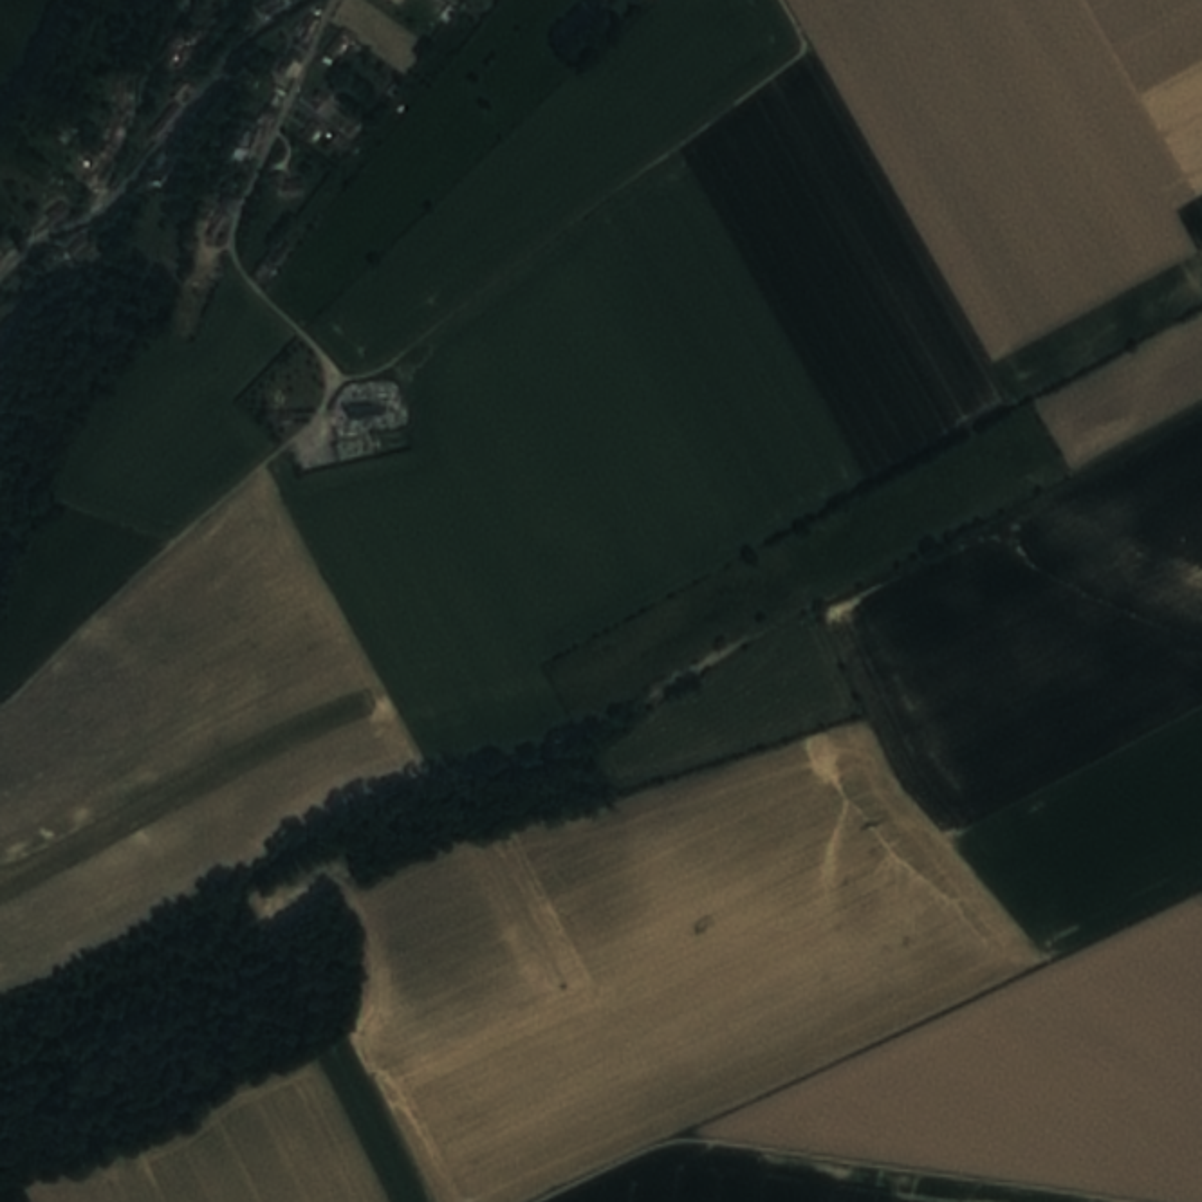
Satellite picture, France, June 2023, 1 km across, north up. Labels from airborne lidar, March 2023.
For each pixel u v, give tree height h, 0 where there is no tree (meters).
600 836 0
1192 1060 0
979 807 0
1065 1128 0
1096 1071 0
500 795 26
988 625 0
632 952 0
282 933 25
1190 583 0
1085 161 0
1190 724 0
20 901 0
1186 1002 0
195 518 0
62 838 0
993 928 0
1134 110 0
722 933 0
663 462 0
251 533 0
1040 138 0
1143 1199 0
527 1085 0
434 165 0
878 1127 0
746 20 0
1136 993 0
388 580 0
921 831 0
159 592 0
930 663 0
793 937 0
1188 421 0
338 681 0
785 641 0
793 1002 0
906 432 0
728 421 0
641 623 0
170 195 6
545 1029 0
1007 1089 0
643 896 0
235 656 0
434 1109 0
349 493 0
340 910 22
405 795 32
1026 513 0
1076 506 0
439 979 0
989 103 0
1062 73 0
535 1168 0
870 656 0
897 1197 0
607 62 0
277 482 0
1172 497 0
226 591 0
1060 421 0
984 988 0
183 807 0
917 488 0
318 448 0
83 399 22
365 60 13
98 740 0
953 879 0
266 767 0
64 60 27
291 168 0
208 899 21
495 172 0
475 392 0
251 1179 0
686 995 0
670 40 0
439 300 0
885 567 0
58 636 0
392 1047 0
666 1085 0
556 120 0
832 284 0
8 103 23
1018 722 0
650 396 0
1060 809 0
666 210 0
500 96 0
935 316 0
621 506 0
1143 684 0
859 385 0
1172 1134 0
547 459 0
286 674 0
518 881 0
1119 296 0
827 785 0
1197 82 0
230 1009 16
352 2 0
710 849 0
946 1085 0
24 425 21
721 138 0
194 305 0
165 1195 0
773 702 0
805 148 0
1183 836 0
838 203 0
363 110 11
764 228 0
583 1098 0
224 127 9
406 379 0
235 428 0
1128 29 0
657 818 0
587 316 0
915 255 0
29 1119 26
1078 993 0
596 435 0
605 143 0
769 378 0
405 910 0
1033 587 0
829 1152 0
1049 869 0
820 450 0
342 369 0
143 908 0
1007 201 0
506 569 0
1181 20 0
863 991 0
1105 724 0
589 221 0
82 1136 26
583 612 0
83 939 0
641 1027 0
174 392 0
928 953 0
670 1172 0
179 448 0
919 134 0
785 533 6
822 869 0
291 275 0
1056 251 0
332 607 0
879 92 0
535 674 0
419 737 0
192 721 0
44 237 0
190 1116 26
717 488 0
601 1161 0
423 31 0
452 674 0
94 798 0
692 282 0
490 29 0
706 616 0
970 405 0
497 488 0
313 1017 27
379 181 0
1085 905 0
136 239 12
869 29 0
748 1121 0
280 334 0
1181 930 0
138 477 0
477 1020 0
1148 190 0
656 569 0
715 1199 0
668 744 0
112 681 0
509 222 0
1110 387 0
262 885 19
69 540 0
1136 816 0
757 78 0
